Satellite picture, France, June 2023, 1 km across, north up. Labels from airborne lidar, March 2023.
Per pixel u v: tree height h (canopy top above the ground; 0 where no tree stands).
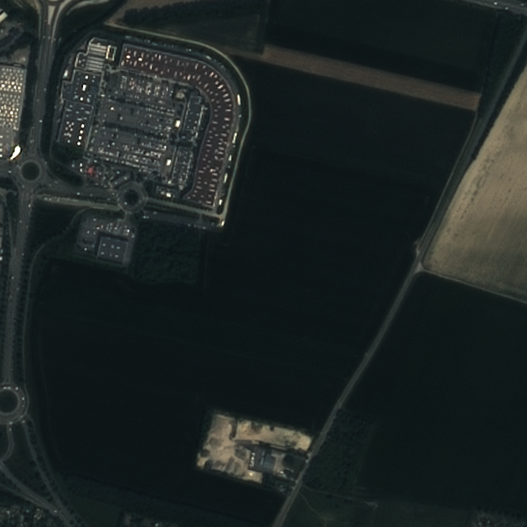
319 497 0
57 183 0
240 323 0
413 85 0
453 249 0
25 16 12
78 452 0
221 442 0
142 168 0
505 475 0
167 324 0
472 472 0
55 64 9
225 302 0
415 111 0
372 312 0
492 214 0
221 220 0
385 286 0
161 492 0
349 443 10
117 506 10
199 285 0
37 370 0
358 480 0
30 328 0
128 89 0
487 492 0
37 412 0
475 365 0
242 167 0
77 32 8
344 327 0
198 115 0
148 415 0
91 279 0
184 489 0
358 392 0
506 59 14
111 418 0
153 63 0
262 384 0
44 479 0
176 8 15
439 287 0
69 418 0
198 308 0
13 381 0
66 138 0
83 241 8
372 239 0
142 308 0
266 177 0
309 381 0
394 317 0
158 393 0
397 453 0
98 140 0
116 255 0
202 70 0
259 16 0
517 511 0
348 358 0
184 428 0
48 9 0
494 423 0
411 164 0
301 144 0
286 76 0
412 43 0
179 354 0
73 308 0
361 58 0
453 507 0
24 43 12
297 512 0
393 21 0
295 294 0
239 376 0
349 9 0
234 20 0
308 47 0
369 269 0
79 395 0
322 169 0
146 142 0
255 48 0
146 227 15
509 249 0
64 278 0
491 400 0
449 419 0
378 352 0
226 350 0
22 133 7
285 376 0
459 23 0
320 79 0
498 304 0
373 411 0
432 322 0
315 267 0
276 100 0
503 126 0
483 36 0
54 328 0
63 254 0
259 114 0
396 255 0
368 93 0
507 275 0
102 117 0
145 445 0
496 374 0
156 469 0
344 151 0
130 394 0
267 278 0
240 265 0
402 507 0
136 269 8
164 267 21
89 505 0
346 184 0
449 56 0
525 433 0
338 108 0
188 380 0
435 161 0
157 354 0
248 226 0
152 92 0
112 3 0
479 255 0
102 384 0
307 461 0
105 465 0
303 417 0
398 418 0
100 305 0
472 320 0
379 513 0
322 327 0
